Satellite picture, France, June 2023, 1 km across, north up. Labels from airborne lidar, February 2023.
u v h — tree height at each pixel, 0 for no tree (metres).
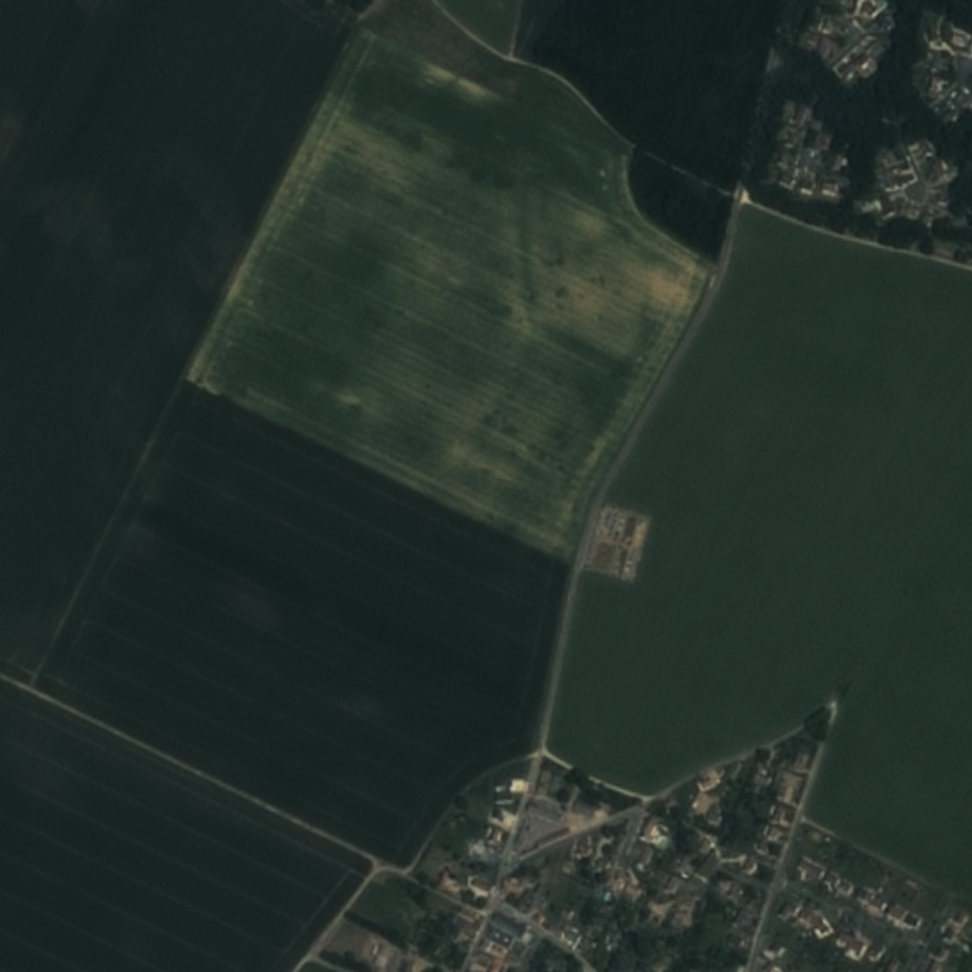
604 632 0
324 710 0
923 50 15
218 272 0
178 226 0
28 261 0
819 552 0
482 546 0
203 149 0
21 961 0
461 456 0
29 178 0
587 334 0
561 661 0
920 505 0
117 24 0
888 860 0
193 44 0
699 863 8
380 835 0
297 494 0
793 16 21
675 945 13
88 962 0
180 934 0
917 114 17
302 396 0
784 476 0
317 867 0
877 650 0
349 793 0
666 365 0
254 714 0
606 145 0
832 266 0
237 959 0
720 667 0
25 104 0
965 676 0
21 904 0
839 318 0
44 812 0
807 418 0
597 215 0
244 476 0
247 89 0
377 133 0
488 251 0
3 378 0
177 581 0
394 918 0
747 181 18
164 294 0
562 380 0
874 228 15
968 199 21
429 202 0
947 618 0
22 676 0
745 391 0
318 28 0
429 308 0
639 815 0
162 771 0
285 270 0
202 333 0
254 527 0
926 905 0
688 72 7
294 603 0
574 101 0
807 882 0
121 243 0
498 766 0
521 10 0
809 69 18
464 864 6
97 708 0
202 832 0
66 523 0
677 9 8
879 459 0
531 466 0
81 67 0
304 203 0
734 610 0
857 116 21
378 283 0
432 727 0
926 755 0
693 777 0
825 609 0
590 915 6
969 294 0
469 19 0
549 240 0
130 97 0
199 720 0
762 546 0
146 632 0
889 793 0
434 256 0
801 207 12
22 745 0
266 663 0
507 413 0
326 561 0
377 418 0
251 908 0
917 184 0
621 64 8
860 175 19
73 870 0
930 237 18
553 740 0
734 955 8
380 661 0
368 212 0
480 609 0
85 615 0
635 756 0
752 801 7
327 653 0
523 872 9
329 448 0
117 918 0
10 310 0
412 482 0
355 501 0
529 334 0
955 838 0
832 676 0
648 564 0
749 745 0
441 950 0
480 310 0
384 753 0
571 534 0
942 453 0
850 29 0
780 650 0
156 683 0
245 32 0
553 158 0
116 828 0
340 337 0
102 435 0
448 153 0
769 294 0
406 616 0
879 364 0
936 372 0
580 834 0
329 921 0
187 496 0
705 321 0
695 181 9
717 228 13
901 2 16
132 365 0
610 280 0
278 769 0
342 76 0
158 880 0
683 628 0
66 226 0
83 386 0
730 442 0
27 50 0
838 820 0
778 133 12
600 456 0
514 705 0
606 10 7
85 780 0
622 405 0
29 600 0
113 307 0
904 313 0
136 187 0
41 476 0
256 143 0
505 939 0
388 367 0
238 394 0
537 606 0
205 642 0
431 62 0
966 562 0
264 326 0
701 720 0
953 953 0
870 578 0
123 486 0
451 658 0
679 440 0
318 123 0
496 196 0
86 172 0
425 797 0
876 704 0
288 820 0
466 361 0
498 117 0
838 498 0
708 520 0
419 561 0
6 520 0
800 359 0
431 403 0
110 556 0
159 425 0
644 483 0
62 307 0
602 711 0
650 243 0
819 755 0
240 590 0
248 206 0
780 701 0
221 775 0
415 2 0
